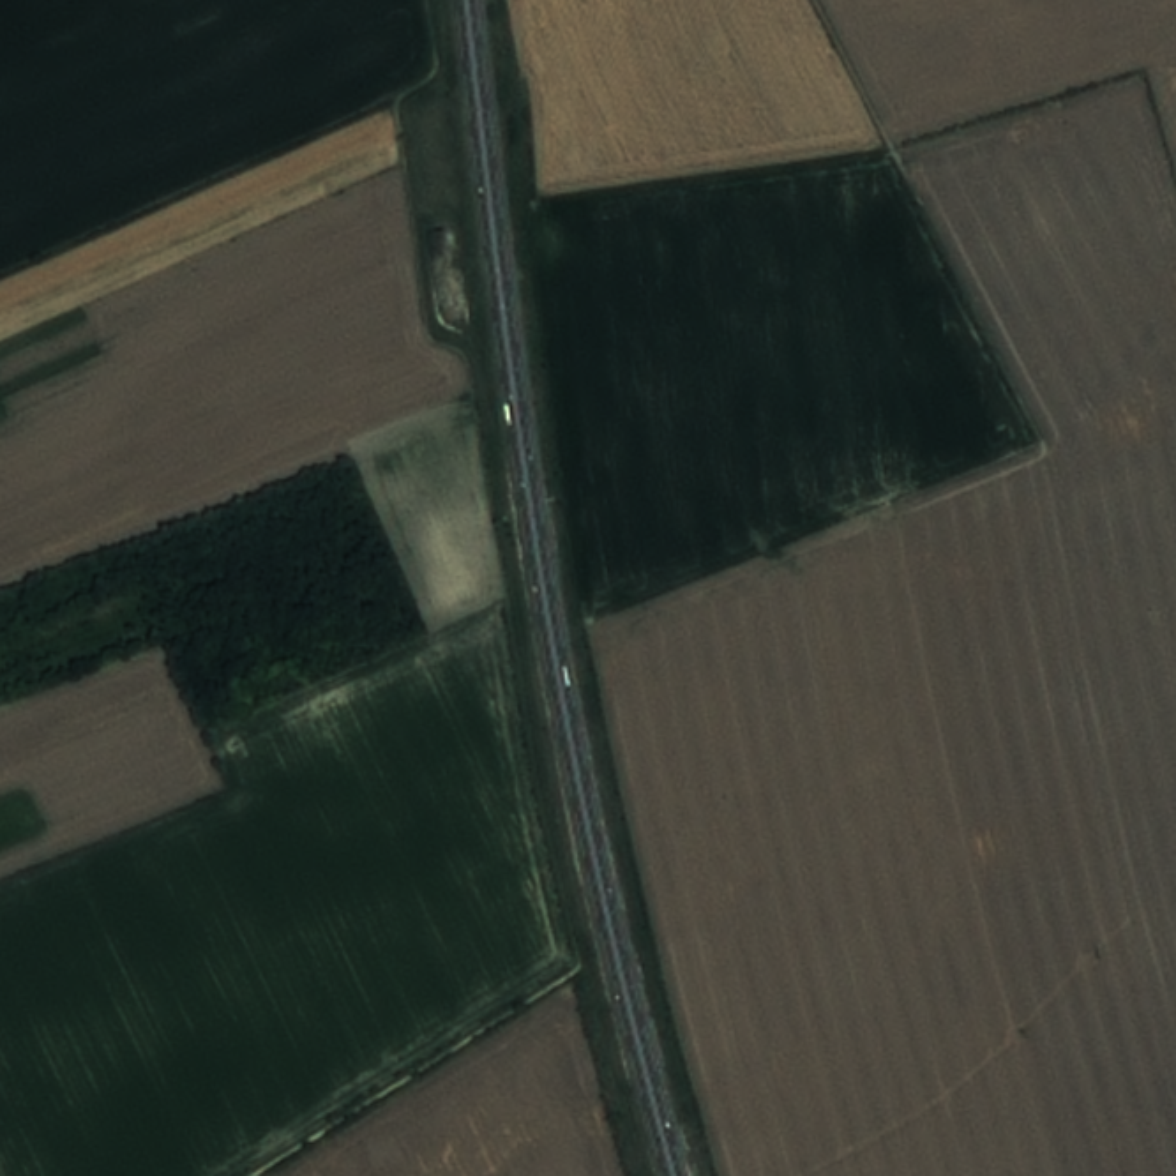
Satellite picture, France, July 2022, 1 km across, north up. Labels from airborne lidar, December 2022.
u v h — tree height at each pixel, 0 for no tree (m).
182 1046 0
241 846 0
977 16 0
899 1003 0
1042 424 0
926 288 0
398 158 0
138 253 0
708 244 0
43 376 0
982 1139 0
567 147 0
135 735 0
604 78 0
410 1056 0
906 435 0
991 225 0
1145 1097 0
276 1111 0
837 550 0
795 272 0
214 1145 0
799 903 0
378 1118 0
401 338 0
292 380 0
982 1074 0
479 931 0
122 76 0
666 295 0
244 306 0
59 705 0
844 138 0
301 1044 0
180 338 0
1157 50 0
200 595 20
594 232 0
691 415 0
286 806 0
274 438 0
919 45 0
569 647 0
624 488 0
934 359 0
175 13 0
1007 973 0
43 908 0
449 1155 0
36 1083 0
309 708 0
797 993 0
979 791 0
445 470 0
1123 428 0
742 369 0
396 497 0
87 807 0
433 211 0
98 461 0
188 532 16
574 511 0
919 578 0
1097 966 0
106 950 0
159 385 0
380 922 0
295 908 0
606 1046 0
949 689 0
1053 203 0
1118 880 0
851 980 0
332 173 0
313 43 0
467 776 0
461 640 0
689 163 0
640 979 0
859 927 0
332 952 0
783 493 0
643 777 0
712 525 0
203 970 0
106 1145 0
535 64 0
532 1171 0
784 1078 0
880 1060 0
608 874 0
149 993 0
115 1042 0
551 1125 0
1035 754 0
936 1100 0
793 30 0
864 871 0
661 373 0
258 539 21
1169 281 0
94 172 0
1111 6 0
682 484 0
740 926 0
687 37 0
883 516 0
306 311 0
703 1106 0
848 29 0
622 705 0
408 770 0
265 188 0
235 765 0
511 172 0
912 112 0
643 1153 0
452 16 0
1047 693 0
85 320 0
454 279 0
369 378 0
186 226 0
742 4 0
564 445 0
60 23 0
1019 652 0
